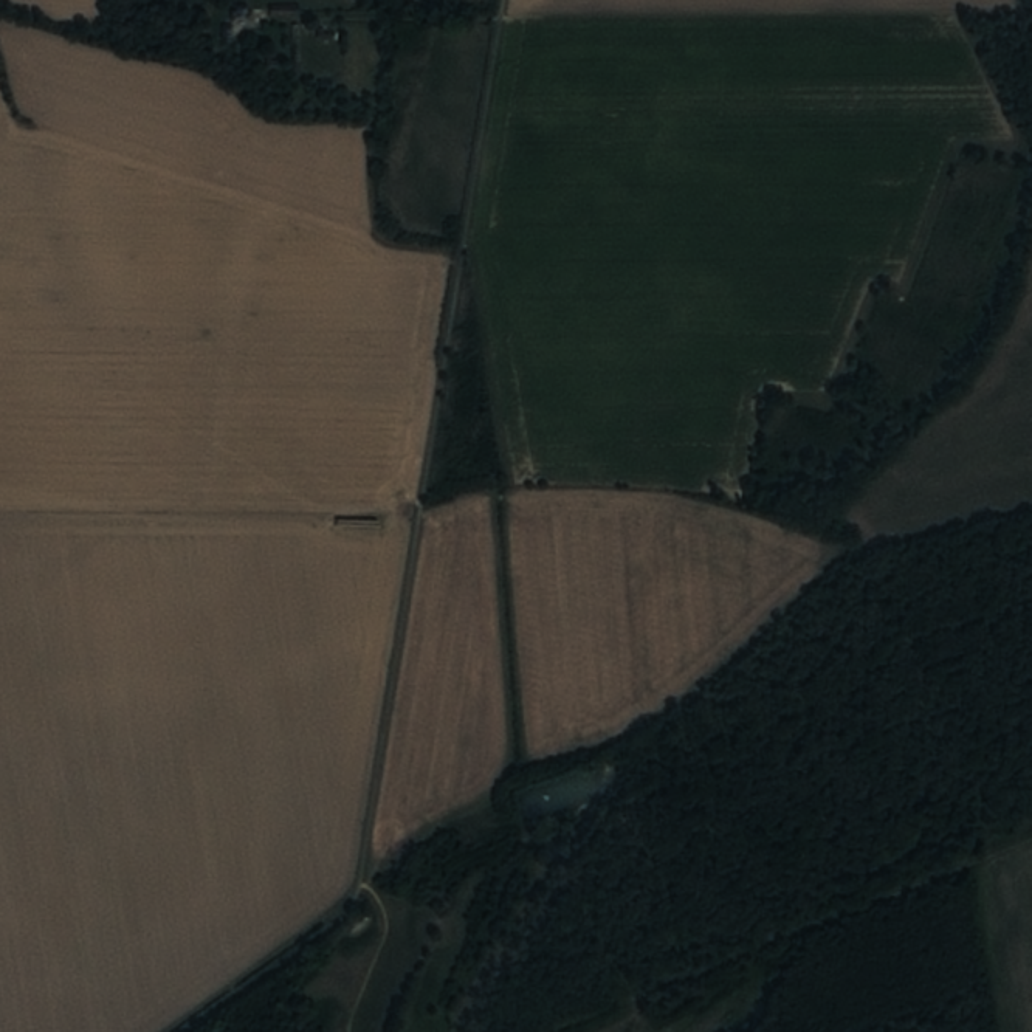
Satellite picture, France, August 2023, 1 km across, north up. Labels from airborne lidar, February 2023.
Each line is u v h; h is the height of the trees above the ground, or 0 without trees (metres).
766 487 8
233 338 0
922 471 0
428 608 0
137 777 0
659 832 17
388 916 0
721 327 0
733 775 18
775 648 10
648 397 0
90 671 0
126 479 0
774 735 15
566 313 0
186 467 0
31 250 0
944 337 0
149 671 0
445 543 0
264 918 0
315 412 0
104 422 0
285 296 0
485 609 0
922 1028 25
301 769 0
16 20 14
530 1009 18
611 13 0
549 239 0
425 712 0
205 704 0
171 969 0
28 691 0
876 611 14
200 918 0
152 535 0
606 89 0
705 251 0
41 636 0
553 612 0
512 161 0
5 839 0
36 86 0
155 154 0
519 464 0
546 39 0
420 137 0
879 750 19
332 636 0
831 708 16
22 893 0
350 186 0
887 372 0
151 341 0
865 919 15
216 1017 11
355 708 0
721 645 0
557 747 0
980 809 21
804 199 0
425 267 0
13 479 0
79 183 0
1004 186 0
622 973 18
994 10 0
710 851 22
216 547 0
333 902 0
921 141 0
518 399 0
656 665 0
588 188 0
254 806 0
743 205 0
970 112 0
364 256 0
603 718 0
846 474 19
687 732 20
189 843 0
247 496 0
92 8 0
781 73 0
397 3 23
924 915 14
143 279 0
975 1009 17
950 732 21
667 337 0
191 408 0
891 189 0
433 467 0
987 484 0
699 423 0
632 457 0
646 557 0
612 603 0
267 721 0
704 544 0
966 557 15
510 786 12
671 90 0
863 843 22
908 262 0
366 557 0
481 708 0
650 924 20
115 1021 0
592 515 0
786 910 21
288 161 0
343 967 0
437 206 0
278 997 12
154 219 0
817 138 0
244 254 0
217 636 0
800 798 22
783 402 20
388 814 0
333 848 0
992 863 0
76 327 0
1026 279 14
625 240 0
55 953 0
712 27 0
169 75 0
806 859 23
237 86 21
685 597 0
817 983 14
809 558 0
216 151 0
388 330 0
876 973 12
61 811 0
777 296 0
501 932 12
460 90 0
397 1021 18
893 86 0
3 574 0
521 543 0
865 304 0
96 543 0
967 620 13
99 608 0
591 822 15
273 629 0
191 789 0
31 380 0
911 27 0
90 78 0
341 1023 0
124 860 0
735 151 0
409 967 0
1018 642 16
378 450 0
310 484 0
